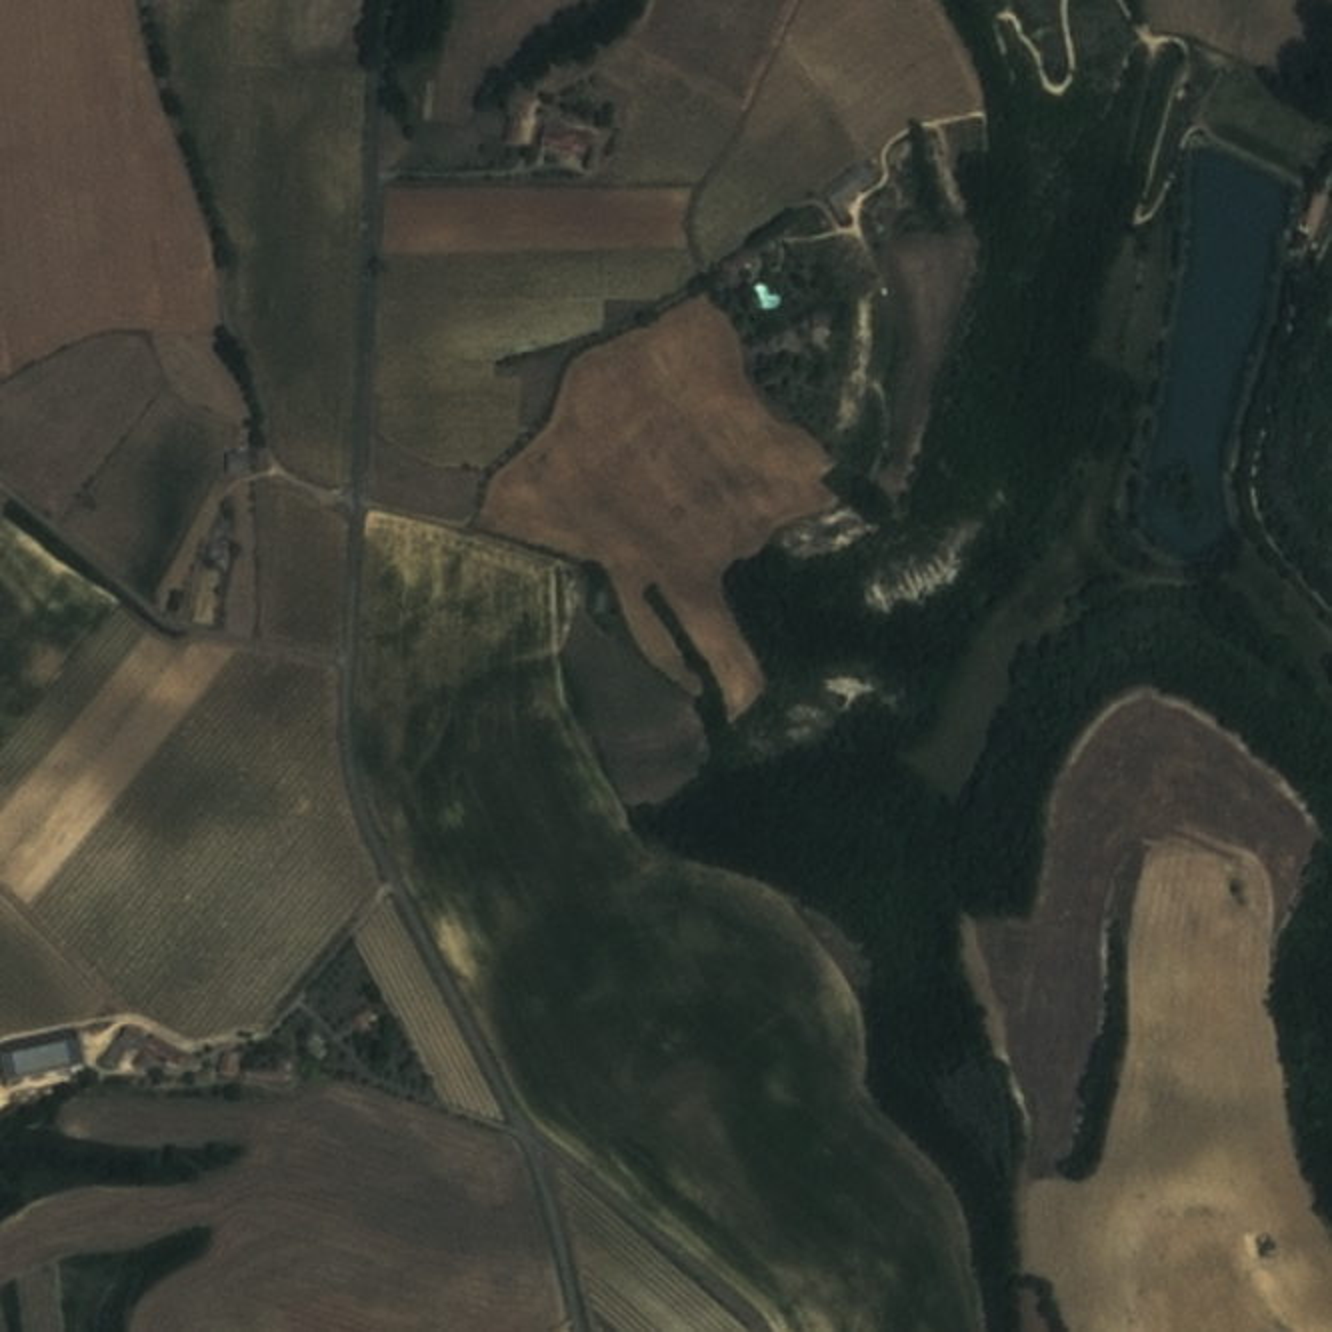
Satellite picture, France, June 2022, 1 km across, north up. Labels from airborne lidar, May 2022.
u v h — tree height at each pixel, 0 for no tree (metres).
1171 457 0
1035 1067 0
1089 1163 7
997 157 12
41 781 0
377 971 0
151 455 0
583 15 14
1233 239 0
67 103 0
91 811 0
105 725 0
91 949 0
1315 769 7
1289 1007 15
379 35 17
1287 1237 0
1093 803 0
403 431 0
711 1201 0
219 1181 0
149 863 0
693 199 0
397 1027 11
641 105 0
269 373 0
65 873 0
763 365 9
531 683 0
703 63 0
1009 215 13
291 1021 10
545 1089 0
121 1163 11
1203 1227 0
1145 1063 0
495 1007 0
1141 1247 0
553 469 0
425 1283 0
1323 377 7
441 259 0
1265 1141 0
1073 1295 0
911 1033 12
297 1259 0
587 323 0
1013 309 12
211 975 0
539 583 0
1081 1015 0
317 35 0
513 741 0
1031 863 14
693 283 9
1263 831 0
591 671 0
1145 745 0
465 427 0
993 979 0
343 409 0
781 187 0
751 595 19
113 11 0
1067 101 8
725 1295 0
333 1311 0
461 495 0
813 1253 0
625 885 0
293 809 0
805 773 14
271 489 0
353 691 0
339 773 0
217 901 0
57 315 0
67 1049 0
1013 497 11
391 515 0
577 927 0
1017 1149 15
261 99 0
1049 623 0
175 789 0
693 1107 0
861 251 0
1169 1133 0
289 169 0
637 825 12
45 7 0
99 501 0
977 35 11
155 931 0
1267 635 16
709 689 8
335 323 0
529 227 0
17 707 0
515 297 0
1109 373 16
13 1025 0
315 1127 0
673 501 0
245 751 0
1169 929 0
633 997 0
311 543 0
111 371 0
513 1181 0
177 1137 0
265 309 0
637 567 0
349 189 0
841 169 0
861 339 0
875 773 15
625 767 0
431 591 0
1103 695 10
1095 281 16
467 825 0
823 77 0
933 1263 0
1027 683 19
